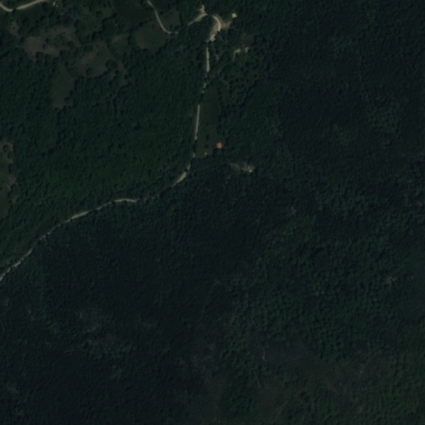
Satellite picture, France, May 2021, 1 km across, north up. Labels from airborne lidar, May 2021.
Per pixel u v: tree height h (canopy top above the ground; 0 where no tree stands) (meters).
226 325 9
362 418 14
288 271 16
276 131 17
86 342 7
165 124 27
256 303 14
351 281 21
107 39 20
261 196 17
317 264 27
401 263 14
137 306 11
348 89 18
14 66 18
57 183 19
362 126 16
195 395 9
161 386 9
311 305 18
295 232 16
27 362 12
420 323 7
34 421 10
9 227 7
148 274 8
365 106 18
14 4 17
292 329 17
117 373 18
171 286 9
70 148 20
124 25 24
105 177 9
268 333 11
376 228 17
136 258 6
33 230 7
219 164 13
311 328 11
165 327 11
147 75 18
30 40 0
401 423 15
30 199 16
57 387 14
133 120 21
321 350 10
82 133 21
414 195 7
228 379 6
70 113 24
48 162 24
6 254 12
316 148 14
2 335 7
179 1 15
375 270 12
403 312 6
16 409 14
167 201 8
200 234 14
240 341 12
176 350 6
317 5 15
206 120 0
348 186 17
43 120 24
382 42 13
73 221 11
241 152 17
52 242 10
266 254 9
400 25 10
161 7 0
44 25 22
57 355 12
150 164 19
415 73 15
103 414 13
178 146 10
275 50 19
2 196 0
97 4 20
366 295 20
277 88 13
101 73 0
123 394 14
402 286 8
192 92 18
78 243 16
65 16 7
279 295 19
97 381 12
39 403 9
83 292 13
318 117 9
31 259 10
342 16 14
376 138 15
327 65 9
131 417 9
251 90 16
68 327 14
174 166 21
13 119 22
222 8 8
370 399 11
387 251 17
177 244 19
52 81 17
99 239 15
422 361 15
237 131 19
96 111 24
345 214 21
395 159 10
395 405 15
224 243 11
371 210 19
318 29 18
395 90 17
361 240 16
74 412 12
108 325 7
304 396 14
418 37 13
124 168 12
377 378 6
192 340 11
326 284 8
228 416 7
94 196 17
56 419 7
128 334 13
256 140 9
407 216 8
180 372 10
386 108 18
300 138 9
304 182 10
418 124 19
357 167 17
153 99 17
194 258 15
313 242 12
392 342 6
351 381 6
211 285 17
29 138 17
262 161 18
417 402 10
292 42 18
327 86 19
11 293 12
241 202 10
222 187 14
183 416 6
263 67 17
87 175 18
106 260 17
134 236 10
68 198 15
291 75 16
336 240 16
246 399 17
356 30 9
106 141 15
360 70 9
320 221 13
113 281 10
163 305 8
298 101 14
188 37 13
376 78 7
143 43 0
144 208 17
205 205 9
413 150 13
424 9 11
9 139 11
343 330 10
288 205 13
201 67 20
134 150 21
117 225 17
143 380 6
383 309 19
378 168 14
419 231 9
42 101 27
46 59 17
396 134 13
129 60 18
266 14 9
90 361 11
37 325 12
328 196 17
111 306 15
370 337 12
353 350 7
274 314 14
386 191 16
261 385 9
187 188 11
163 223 10
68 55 17
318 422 13
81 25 22
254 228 9
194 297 14
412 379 11
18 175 18
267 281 12
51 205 16
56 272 11
